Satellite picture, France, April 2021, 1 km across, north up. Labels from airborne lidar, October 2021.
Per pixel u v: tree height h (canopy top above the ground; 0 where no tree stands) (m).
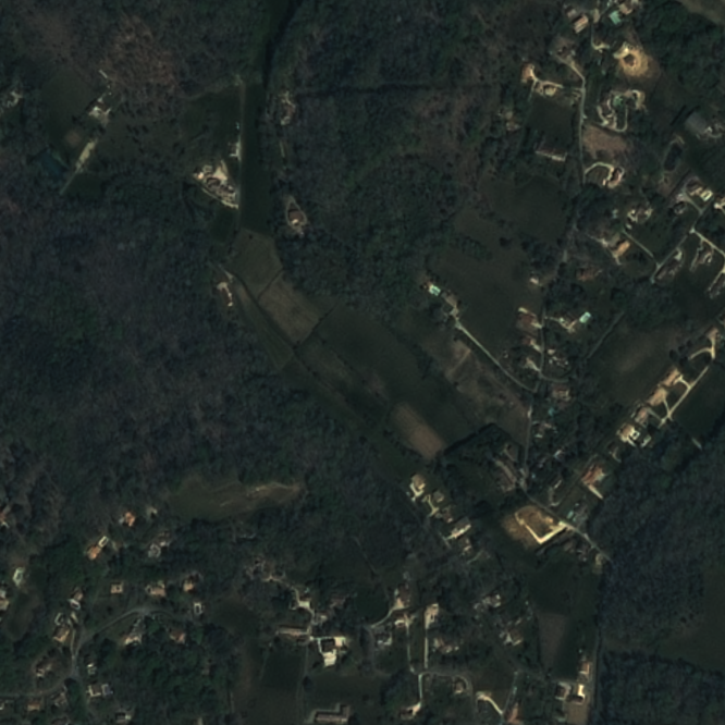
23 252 19
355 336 0
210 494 0
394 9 22
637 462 30
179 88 10
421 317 0
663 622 20
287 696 0
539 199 0
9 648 16
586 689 0
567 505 0
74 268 14
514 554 0
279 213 11
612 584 23
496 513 11
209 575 17
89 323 23
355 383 0
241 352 24
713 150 7
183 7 25
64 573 19
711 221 13
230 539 13
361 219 19
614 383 0
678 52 21
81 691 14
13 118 0
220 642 27
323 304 0
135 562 14
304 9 21
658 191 12
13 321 16
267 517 10
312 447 25
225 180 0
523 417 0
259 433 22
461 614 11
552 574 0
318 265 9
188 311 24
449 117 13
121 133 0
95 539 18
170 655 25
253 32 20
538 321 6
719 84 6
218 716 12
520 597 10
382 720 9
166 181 22
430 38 25
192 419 21
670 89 0
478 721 0
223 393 19
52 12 26
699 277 0
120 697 11
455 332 9
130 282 17
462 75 14
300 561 20
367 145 21
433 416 0
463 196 15
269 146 10
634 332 6
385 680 0
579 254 16
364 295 21
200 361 24
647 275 0
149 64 9
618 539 13
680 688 27
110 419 18
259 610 23
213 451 25
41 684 16
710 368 21
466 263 0
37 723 17
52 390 16
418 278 21
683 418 0
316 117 20
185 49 21
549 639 0
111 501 20
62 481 20
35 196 23
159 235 24
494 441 7
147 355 26
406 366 0
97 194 0
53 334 20
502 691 0
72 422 23
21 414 17
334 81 6
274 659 0
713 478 24
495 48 13
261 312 0
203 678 19
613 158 12
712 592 0
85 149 0
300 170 21
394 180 9
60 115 0
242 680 12
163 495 19
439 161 0
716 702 29
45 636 20
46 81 11
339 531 20
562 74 17
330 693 0
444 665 10
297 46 19
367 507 22
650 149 19
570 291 17
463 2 22
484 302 0
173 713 14
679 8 16
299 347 8
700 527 23
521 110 8
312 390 0
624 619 20
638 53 0
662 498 26
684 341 10
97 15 17
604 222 24
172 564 22
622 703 26
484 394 0
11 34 8
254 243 0
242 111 0
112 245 17
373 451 18
